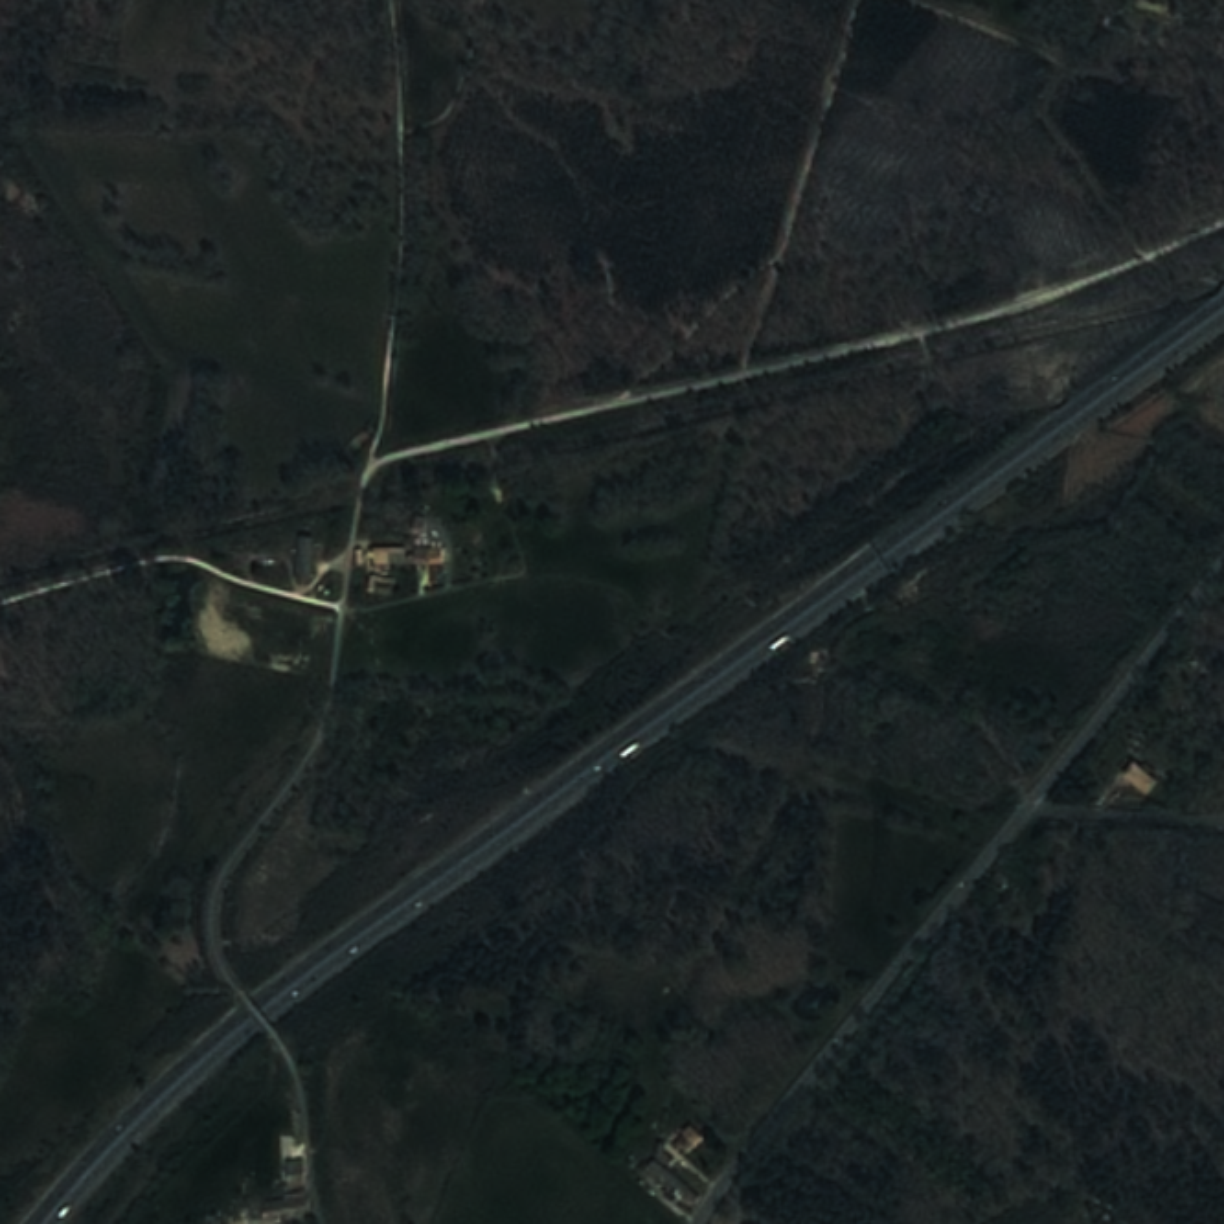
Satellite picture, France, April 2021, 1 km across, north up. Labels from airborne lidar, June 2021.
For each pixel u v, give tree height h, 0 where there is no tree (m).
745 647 0
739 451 19
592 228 7
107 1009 0
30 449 0
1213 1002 17
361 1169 0
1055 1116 16
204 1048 0
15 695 18
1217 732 9
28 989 14
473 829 0
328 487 14
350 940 0
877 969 0
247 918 0
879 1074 19
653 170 6
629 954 18
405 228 17
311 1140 0
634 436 11
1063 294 0
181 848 0
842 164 0
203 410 18
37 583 11
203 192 0
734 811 12
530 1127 0
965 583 7
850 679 16
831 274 11
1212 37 13
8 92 11
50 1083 0
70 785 0
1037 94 7
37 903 14
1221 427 0
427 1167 0
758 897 11
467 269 6
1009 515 0
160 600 16
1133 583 8
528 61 14
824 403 14
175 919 16
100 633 16
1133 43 16
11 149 7
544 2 0
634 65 20
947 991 15
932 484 7
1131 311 0
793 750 16
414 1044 0
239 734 0
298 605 0
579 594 0
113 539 8
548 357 17
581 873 9
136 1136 0
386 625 0
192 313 0
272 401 0
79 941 17
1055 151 20
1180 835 19
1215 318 0
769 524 14
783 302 10
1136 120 10
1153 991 15
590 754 0
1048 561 12
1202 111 12
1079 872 10
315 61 19
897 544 0
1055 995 15
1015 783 15
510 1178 0
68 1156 0
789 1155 9
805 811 18
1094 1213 9
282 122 13
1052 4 12
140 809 0
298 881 0
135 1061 0
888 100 9
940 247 17
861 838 0
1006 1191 14
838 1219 19
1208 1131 13
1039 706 19
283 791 0
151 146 0
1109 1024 11
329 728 10
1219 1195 20
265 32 18
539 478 12
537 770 7
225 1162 0
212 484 23
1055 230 0
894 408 14
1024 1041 6
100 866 0
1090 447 0
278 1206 0
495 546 0
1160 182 13
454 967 12
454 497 17
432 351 0
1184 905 15
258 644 0
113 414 0
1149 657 0
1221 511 19
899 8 9
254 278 0
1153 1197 16
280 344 0
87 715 17
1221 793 12
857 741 14
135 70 0
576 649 0
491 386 0
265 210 0
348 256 0
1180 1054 14
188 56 0
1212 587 14
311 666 0
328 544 0
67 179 0
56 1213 0
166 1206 0
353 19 15
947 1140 16
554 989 7
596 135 7
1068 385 0
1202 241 12
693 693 0
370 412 0
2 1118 0
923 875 0
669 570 0
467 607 0
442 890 0
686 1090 9
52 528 0
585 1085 14
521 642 0
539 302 11
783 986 15
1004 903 9
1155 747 10
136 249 17
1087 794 18
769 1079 18
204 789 0
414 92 0
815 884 18
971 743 20
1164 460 13
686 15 14
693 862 18
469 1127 0
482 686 14
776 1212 20
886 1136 9
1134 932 16
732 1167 0
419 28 0
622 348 7
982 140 16
